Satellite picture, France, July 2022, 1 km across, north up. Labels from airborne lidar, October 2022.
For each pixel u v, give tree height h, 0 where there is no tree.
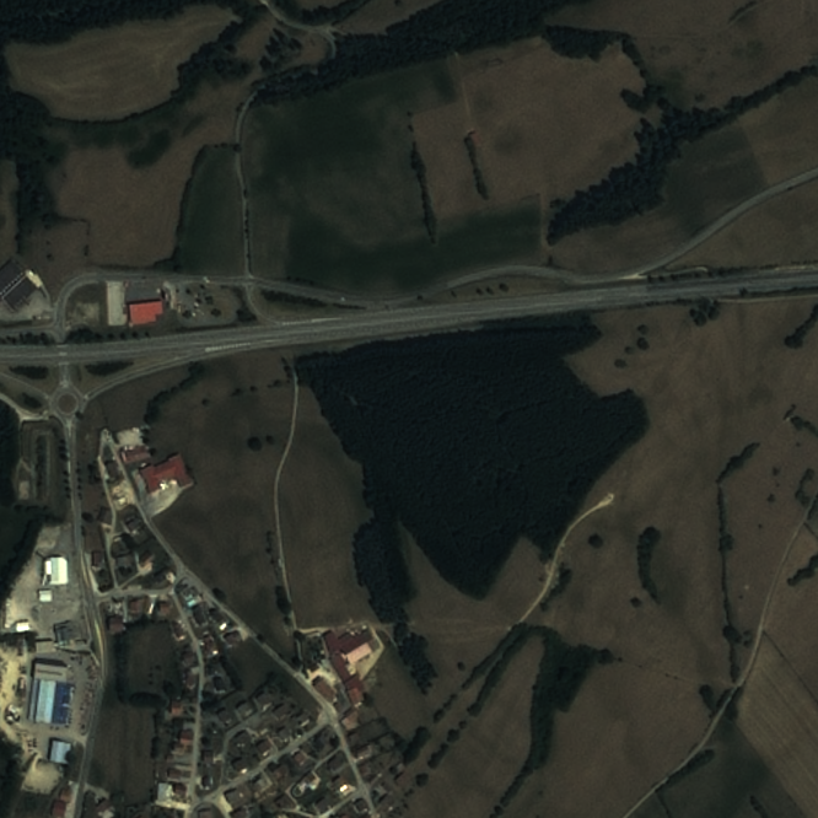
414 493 15
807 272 0
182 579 0
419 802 0
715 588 0
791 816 0
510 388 19
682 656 0
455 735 13
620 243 0
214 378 0
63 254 0
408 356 25
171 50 0
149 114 9
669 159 27
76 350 0
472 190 0
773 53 0
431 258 0
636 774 0
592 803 0
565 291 0
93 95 0
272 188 0
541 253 0
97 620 0
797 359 0
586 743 0
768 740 0
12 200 0
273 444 9
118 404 0
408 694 0
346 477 0
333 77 26
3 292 0
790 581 6
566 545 0
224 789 0
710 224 0
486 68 0
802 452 0
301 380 10
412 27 17
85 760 0
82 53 0
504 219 0
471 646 0
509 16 18
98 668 0
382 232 0
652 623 0
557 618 0
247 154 0
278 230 0
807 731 0
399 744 12
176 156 0
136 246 0
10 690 0
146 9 21
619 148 0
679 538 0
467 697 0
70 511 0
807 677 0
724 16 0
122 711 0
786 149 0
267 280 0
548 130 0
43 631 0
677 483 0
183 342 0
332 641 0
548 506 14
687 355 0
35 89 0
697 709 0
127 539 13
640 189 30
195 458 0
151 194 0
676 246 0
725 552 7
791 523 0
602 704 0
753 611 0
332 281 0
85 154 0
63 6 25
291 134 0
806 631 0
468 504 16
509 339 24
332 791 0
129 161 0
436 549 17
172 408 0
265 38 0
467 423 20
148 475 0
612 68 0
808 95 0
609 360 0
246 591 0
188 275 0
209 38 0
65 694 0
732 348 0
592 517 0
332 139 0
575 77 0
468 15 17
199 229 0
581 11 0
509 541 16
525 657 0
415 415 23
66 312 0
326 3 0
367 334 0
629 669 0
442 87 0
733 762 0
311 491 0
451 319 0
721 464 0
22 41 20
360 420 20
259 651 0
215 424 0
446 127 0
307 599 0
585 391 15
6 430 20
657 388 0
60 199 0
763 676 0
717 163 0
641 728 0
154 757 9
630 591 0
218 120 0
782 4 0
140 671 0
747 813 0
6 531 0
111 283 0
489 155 0
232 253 0
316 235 0
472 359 25
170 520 0
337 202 0
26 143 7
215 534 0
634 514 0
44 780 0
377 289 0
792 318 0
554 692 12
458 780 0
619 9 0
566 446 19
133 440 0
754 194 0
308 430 0
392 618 16
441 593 0
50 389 0
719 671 0
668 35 0
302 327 0
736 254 0
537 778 0
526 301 0
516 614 0
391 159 0
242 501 0
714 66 0
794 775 0
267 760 0
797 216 0
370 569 21
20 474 0
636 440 13
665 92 14
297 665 12
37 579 0
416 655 19
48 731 0
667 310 0
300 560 0
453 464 19
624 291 0
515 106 0
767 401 0
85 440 0
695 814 0
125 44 0
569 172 0
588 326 13
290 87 21
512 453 18
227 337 0
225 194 0
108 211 0
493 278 0
